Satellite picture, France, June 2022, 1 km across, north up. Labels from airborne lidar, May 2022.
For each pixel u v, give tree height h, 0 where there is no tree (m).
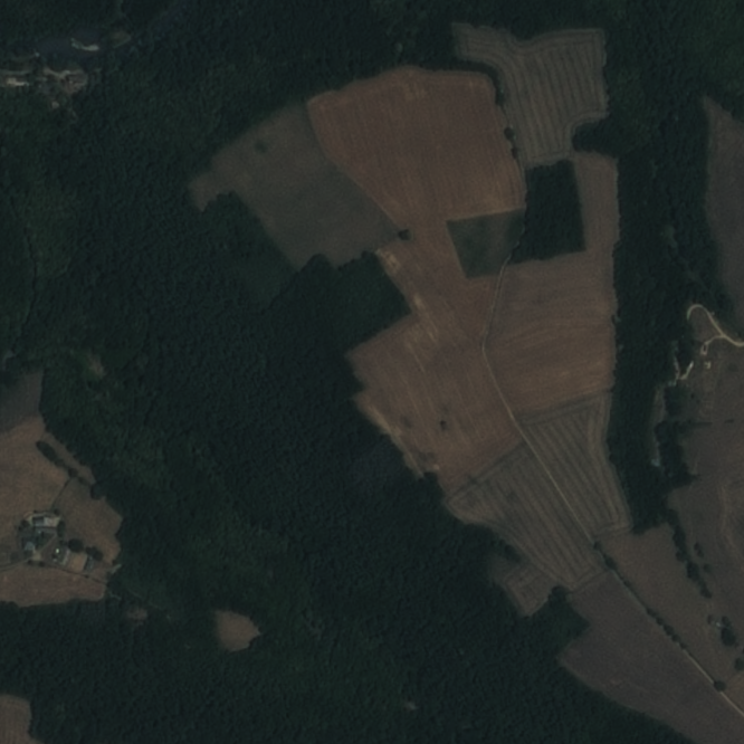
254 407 16
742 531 0
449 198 0
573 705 13
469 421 0
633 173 16
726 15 17
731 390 0
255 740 22
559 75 0
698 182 18
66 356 7
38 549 7
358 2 23
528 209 9
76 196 17
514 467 0
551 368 0
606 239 0
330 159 0
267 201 0
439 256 0
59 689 9
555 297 0
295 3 25
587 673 0
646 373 18
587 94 0
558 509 0
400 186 0
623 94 14
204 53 19
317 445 19
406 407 0
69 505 0
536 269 0
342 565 21
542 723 12
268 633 15
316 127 0
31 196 17
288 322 16
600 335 0
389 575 7
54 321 11
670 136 21
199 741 20
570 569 0
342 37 23
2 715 0
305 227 0
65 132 8
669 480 15
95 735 19
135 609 16
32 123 18
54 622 10
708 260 17
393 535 15
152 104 16
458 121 0
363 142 0
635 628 0
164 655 10
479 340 0
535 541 0
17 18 11
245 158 0
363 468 19
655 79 22
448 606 9
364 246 0
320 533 8
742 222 0
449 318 0
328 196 0
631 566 0
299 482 9
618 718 7
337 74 13
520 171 0
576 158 0
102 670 14
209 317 20
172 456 27
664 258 19
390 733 23
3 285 18
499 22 19
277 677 11
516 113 0
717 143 0
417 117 0
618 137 18
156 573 8
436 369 0
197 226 15
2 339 18
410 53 10
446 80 0
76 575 0
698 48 9
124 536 12
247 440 20
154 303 19
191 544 13
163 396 33
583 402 0
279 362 21
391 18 15
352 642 21
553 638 8
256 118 13
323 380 19
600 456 0
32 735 14
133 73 14
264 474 11
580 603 0
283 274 8
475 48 0
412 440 0
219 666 16
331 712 11
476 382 0
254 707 19
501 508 0
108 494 17
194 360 11
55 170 30
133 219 18
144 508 16
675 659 0
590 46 0
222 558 16
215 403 20
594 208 0
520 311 0
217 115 11
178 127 12
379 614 13
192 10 26
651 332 14
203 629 17
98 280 11
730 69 12
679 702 0
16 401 0
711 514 0
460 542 11
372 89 0
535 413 0
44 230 13
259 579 12
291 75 18
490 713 15
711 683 0
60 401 12
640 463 18
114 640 14
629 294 17
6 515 0
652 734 8
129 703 18
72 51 0
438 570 24
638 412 20
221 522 18
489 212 0
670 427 16
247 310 13
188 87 18
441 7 17
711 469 0
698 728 0
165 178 16
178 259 19
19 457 0
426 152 0
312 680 15
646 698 0
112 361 0
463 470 0
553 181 8
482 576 7
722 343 0
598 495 0
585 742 18
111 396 19
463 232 0
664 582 0
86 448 14
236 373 15
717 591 0
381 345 0
